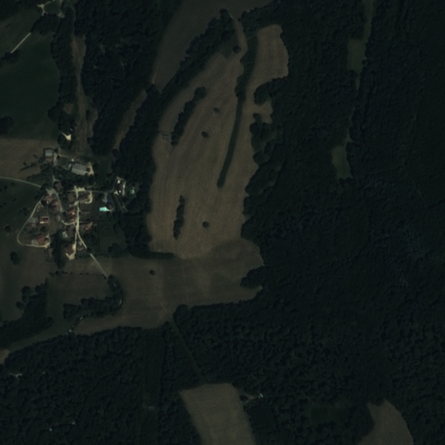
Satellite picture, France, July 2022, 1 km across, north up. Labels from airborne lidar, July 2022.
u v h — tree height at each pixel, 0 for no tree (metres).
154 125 22
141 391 15
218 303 0
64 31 19
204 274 0
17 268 0
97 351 28
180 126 14
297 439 23
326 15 25
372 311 32
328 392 20
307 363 22
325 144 24
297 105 31
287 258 29
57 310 0
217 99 0
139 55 28
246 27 9
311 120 22
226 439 0
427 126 7
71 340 21
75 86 15
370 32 0
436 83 13
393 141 21
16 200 8
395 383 24
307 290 27
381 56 25
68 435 29
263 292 13
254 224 20
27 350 13
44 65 0
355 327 32
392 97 33
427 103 12
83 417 17
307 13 25
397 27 12
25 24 0
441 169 9
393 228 16
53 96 0
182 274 0
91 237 11
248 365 10
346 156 0
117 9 29
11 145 0
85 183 6
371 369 22
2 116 0
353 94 29
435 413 29
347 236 36
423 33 14
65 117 20
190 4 0
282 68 0
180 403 17
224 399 0
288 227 27
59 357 30
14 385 26
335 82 25
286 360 25
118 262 0
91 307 23
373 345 26
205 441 0
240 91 6
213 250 0
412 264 22
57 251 11
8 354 0
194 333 19
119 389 25
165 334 17
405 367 25
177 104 0
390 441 0
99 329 0
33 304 15
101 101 21
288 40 17
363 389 21
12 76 0
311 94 28
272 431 8
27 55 0
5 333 24
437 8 25
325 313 30
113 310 17
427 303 31
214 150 0
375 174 21
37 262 0
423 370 20
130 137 20
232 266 0
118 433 18
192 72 16
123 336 27
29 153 0
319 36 29
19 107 0
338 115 21
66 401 26
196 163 0
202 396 0
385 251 27
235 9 0
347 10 28
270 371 7
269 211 25
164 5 0
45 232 6
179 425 23
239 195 0
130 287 0
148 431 6
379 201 20
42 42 0
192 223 0
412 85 21
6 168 0
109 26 26
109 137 26
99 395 18
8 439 22
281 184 18
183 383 19
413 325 34
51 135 0
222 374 18
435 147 11
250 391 18
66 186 17
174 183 0
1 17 14
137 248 16
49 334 0
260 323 27
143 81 22
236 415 0
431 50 12
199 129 0
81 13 14
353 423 22
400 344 36
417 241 32
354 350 24
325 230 27
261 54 0
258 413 10
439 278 23
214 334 29
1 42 0
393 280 25
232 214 0
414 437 15
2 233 0
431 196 10
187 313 21
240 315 23
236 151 0
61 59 22
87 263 0
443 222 20
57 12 0
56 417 23
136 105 0
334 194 23
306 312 28
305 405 31
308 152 26
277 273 17
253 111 0
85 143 0
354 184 27
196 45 20
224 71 0
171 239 0
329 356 29
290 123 20
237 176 0
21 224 0
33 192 0
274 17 13
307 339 27
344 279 31
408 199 19
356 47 0
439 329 32
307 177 24
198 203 0
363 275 23
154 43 26
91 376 23
